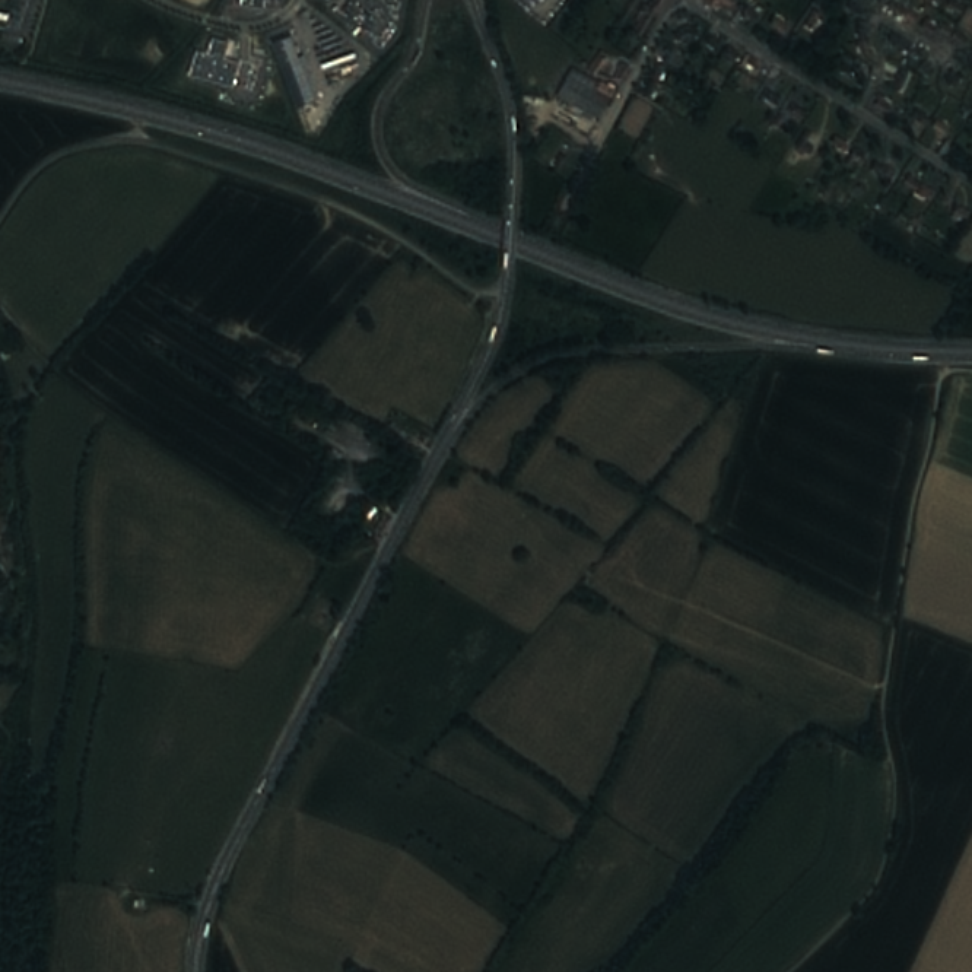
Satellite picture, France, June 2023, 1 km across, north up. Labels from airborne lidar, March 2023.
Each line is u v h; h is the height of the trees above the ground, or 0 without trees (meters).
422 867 0
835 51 10
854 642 0
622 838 0
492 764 0
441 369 0
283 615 0
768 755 0
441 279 0
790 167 0
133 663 0
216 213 0
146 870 0
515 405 0
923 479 0
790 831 0
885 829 0
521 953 0
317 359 0
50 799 18
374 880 0
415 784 0
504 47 7
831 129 0
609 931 0
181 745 0
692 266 0
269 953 0
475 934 0
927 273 12
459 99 0
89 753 6
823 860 0
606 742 0
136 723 0
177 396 0
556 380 8
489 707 0
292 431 7
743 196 0
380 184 0
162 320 0
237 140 0
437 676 0
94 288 0
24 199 0
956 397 0
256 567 0
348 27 0
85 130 0
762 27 8
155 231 0
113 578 0
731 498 0
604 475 7
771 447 0
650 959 0
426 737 0
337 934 0
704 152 0
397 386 0
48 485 0
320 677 0
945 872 0
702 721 0
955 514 0
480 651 0
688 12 7
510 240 0
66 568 0
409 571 0
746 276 0
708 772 0
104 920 0
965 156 14
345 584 0
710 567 0
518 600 0
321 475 9
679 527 0
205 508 0
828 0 10
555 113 0
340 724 0
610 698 0
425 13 0
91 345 0
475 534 0
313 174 0
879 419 0
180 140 0
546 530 0
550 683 0
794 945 0
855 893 0
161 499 0
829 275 0
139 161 0
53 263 0
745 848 0
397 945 0
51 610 0
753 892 0
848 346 0
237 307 0
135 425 0
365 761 0
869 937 0
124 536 0
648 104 0
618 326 9
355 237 0
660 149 0
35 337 0
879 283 0
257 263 0
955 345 0
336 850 0
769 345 0
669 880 0
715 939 0
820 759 0
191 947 0
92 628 0
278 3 0
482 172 10
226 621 0
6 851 7
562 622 0
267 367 12
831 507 0
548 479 0
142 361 0
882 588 0
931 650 0
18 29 0
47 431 0
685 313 0
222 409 0
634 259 0
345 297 0
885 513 0
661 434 0
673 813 0
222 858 0
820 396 0
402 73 0
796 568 0
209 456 0
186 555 0
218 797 0
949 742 0
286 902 0
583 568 0
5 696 0
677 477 0
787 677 0
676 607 0
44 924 13
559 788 11
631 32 10
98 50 0
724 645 0
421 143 0
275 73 0
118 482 0
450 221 0
